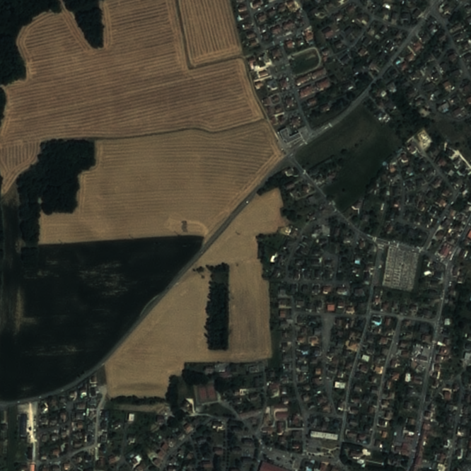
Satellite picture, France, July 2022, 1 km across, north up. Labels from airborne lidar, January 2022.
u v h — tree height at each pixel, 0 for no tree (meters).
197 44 0
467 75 0
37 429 0
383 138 0
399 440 0
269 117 0
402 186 0
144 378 0
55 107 0
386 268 0
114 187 0
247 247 0
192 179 0
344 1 0
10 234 0
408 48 0
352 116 0
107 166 0
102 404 0
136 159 0
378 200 0
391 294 9
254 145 0
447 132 0
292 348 0
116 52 0
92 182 0
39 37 0
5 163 0
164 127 0
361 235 0
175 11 0
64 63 0
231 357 0
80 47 0
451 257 0
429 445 0
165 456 0
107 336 0
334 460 0
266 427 0
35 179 10
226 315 19
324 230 0
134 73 0
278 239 0
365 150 0
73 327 0
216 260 0
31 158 0
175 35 0
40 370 0
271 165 0
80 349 0
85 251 0
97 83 0
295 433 0
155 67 0
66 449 6
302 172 0
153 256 0
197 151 0
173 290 0
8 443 0
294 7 0
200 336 0
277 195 0
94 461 0
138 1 0
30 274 0
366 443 0
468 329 0
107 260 0
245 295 0
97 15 18
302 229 0
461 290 10
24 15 21
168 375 0
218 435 0
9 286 0
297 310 0
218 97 0
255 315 0
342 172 0
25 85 0
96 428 0
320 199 0
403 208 0
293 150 0
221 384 18
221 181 0
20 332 0
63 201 18
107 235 0
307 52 0
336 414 0
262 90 0
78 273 0
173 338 0
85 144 19
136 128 0
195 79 0
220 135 0
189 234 0
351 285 6
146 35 0
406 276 0
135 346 0
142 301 0
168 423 6
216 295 8
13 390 0
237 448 0
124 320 0
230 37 0
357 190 0
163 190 0
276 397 0
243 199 0
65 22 0
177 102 0
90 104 0
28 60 0
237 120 0
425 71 0
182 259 0
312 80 0
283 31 0
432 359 0
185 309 0
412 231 0
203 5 0
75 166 19
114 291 0
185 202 0
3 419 0
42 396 0
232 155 0
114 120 0
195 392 0
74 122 0
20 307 0
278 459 5
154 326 0
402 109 7
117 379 0
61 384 0
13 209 0
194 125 0
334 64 0
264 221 0
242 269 0
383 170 6
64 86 0
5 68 23
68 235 0
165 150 0
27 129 0
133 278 0
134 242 0
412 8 0
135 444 7
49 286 0
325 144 0
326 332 0
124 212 0
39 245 0
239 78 0
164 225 0
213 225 0
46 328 0
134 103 0
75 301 0
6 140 0
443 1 0
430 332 7
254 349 0
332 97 6
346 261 7
